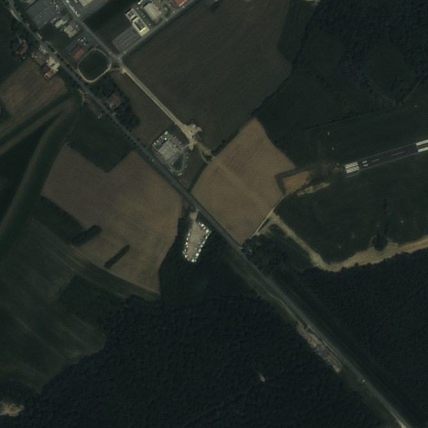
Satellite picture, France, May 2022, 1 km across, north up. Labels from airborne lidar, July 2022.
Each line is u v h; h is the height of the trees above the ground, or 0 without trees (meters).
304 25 0
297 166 0
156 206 0
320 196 0
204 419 23
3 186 0
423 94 0
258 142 0
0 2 0
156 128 0
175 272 9
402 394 0
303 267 0
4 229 0
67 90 0
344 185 0
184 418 25
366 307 15
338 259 0
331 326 0
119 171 0
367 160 0
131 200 0
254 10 0
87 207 0
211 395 24
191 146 0
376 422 14
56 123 0
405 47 20
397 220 0
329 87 8
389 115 0
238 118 0
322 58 0
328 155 0
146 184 0
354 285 19
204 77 0
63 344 0
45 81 0
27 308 0
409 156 0
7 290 0
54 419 27
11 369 0
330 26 22
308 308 0
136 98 0
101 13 0
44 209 0
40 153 0
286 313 0
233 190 0
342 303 17
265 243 7
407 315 15
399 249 0
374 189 0
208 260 9
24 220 0
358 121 0
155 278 0
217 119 0
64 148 0
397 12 19
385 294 17
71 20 0
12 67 0
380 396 0
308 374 30
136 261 0
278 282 0
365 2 18
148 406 31
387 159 0
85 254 0
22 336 0
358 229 0
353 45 18
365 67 0
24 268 0
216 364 24
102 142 0
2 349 0
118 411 29
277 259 14
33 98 0
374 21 17
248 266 0
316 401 33
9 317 0
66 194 0
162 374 28
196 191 0
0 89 0
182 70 0
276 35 0
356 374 0
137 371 27
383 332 15
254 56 0
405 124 0
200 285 11
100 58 0
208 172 0
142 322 22
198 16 0
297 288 0
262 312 29
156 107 0
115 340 15
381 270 18
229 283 10
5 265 0
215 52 0
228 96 0
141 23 0
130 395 31
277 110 0
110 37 0
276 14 0
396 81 13
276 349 26
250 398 24
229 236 0
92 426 30
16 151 0
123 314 11
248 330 27
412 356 19
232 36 0
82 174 0
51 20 0
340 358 0
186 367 28
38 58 0
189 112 0
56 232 0
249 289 10
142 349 27
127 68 0
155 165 0
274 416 31
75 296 0
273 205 0
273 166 0
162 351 32
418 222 0
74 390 31
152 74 0
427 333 16
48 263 0
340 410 21
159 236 0
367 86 14
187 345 31
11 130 0
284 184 0
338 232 0
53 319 0
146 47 0
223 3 0
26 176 0
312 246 0
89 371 29
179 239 14
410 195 0
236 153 0
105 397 28
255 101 0
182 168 0
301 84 0
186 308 26
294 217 0
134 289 0
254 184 0
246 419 27
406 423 0
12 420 26
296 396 30
